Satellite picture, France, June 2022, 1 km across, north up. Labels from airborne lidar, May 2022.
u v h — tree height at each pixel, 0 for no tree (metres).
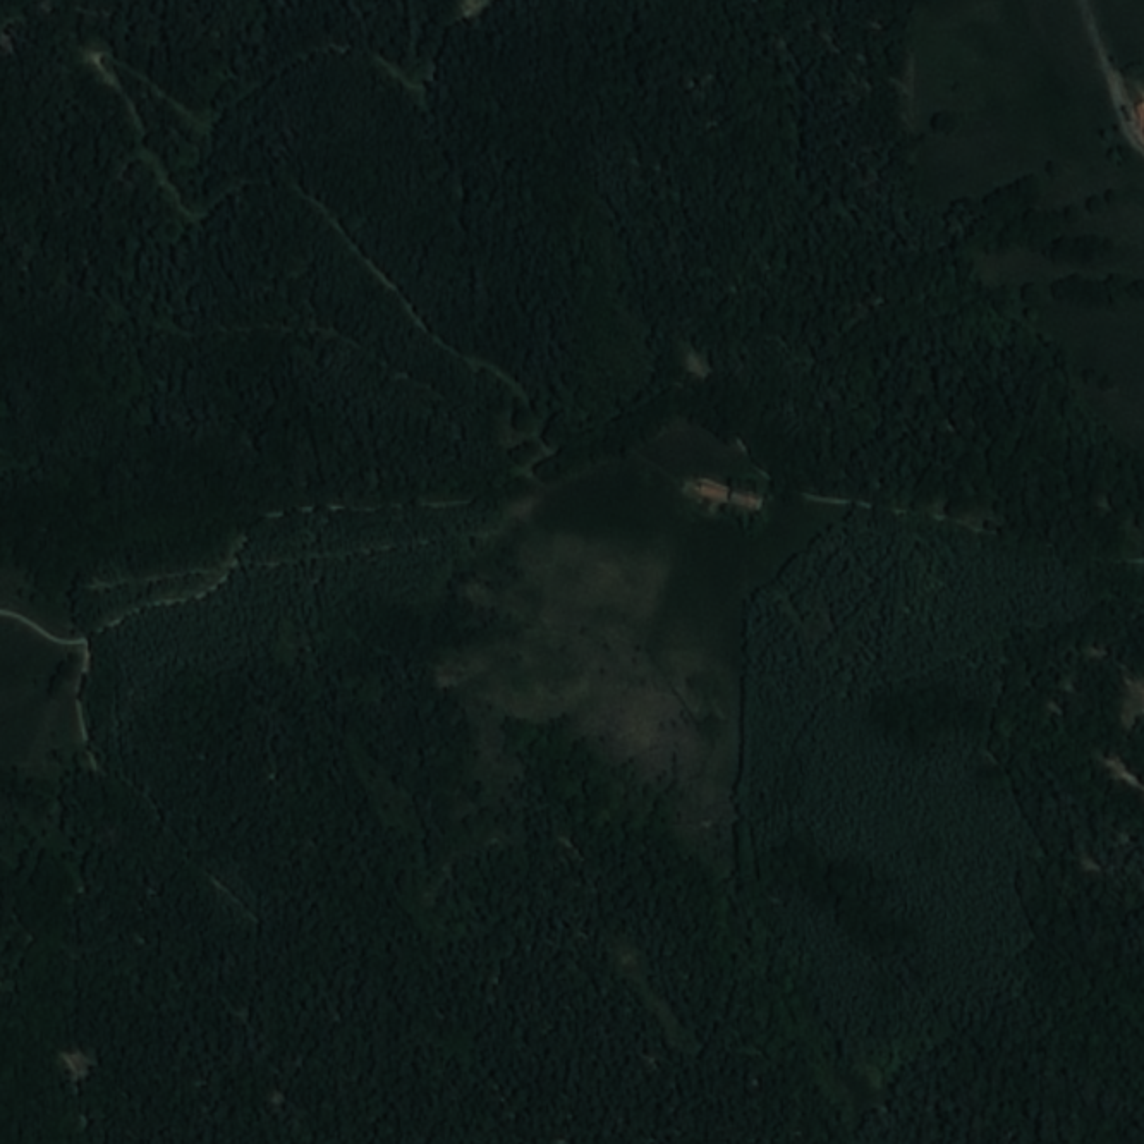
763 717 13
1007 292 10
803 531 0
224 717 13
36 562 13
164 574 13
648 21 22
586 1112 22
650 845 14
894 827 16
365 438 19
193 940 13
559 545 0
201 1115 15
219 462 18
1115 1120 15
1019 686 13
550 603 0
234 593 17
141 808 15
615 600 0
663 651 0
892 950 15
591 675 0
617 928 12
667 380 14
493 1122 14
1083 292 18
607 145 18
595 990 11
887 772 14
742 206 15
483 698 0
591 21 17
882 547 16
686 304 16
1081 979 15
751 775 13
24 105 16
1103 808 12
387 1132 14
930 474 12
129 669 11
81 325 19
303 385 19
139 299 10
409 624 9
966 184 0
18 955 15
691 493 0
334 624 11
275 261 15
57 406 15
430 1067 14
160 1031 11
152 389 15
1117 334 0
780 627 13
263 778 13
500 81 19
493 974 19
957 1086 20
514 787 7
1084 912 17
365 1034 12
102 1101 13
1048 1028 20
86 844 16
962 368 10
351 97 20
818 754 16
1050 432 14
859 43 16
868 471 20
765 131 20
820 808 16
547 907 19
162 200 12
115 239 11
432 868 10
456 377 14
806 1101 13
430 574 17
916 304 15
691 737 0
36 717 0
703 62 22
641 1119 19
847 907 19
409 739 10
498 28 11
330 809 15
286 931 19
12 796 7
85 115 21
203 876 13
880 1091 0
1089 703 14
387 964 10
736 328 10
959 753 14
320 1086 16
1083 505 12
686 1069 18
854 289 17
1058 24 0
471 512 12
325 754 18
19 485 13
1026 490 13
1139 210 0
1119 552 12
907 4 15
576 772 9
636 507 0
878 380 9
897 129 9
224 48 11
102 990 11
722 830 6
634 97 8
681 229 12
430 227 18
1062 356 17
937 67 0
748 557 0
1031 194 18
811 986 13
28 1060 13
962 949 16
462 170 22
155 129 16
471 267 15
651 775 0
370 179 16
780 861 15
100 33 15
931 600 10
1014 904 15
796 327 14
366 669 10
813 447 14
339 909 14
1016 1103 14
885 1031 16
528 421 20
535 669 0
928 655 13
